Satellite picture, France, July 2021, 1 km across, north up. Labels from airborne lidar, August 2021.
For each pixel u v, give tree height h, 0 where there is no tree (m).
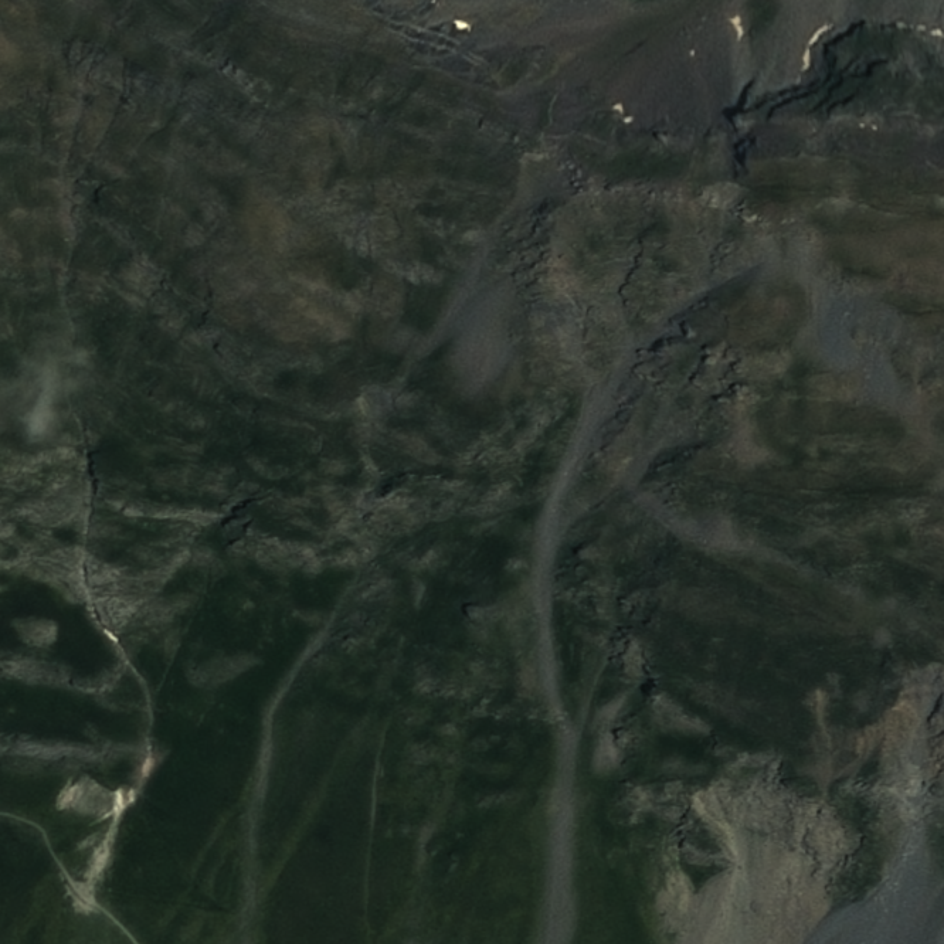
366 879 0
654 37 0
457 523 0
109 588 0
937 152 0
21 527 0
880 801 0
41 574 0
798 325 0
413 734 0
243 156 0
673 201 0
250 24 0
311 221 0
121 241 0
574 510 0
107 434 0
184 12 0
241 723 0
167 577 0
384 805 0
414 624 0
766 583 0
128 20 0
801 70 0
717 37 0
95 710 0
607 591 0
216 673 0
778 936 0
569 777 0
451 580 0
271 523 0
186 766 0
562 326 0
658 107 0
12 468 0
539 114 0
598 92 0
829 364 0
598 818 0
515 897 0
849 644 0
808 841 0
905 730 0
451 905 0
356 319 0
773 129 0
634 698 0
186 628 0
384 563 0
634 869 0
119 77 0
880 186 0
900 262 0
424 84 0
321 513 0
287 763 0
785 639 0
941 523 0
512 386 0
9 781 0
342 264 0
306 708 0
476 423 0
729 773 0
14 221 0
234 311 0
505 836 0
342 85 0
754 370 0
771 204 0
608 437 0
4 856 0
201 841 0
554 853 0
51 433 0
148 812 0
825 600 0
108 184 0
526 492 0
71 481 0
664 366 0
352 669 0
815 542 0
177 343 0
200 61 0
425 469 0
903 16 0
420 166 0
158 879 0
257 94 0
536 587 0
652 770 0
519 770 0
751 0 0
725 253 0
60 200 0
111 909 0
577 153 0
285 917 0
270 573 0
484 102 0
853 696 0
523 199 0
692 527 0
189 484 0
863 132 0
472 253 0
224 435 0
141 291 0
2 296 0
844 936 0
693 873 0
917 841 0
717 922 0
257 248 0
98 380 0
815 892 0
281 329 0
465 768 0
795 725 0
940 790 0
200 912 0
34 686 0
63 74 0
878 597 0
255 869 0
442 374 0
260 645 0
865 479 0
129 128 0
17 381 0
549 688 0
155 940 0
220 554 0
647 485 0
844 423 0
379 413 0
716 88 0
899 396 0
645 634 0
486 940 0
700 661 0
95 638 0
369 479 0
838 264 0
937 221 0
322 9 0
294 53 0
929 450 0
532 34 0
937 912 0
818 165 0
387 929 0
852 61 0
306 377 0
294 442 0
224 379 0
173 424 0
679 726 0
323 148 0
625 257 0
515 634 0
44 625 0
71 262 0
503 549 0
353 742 0
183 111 0
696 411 0
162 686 0
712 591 0
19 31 0
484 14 0
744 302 0
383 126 0
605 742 0
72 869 0
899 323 0
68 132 0
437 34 0
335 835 0
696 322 0
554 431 0
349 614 0
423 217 0
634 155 0
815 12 0
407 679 0
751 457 0
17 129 0
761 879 0
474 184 0
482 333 0
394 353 0
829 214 0
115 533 0
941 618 0
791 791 16
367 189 0
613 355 0
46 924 0
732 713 0
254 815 0
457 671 0
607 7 0
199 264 0
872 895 0
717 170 0
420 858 0
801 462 0
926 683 0
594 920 0
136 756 0
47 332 0
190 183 0
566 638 0
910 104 0
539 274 0
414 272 0
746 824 0
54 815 0
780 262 0
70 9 0
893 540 0
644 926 0
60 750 0
